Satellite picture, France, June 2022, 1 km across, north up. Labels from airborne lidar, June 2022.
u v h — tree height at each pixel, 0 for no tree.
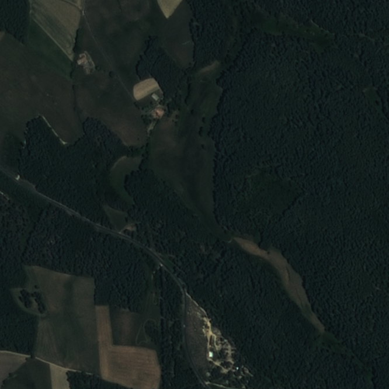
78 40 18
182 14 0
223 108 27
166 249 23
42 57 0
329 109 31
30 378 0
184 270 23
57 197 17
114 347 0
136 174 23
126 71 0
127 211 15
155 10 0
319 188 26
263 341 20
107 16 0
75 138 0
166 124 0
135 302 28
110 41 0
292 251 27
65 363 0
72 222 18
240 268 25
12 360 0
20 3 28
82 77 0
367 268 11
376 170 26
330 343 0
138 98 0
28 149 22
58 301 0
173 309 22
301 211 22
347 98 30
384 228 16
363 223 23
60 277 0
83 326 0
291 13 14
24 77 0
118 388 22
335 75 25
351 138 24
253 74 28
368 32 18
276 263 0
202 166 0
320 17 20
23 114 0
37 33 0
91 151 17
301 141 24
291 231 24
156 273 11
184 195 0
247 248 0
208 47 26
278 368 19
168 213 21
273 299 28
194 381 19
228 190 21
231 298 9
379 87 12
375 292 17
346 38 17
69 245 23
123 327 0
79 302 0
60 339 0
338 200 25
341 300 23
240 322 18
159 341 8
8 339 27
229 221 19
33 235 24
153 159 0
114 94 0
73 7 0
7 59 0
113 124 0
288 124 12
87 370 0
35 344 17
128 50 0
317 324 0
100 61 0
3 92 0
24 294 19
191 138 0
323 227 23
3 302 15
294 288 0
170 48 0
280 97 21
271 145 25
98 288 15
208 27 29
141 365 0
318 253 23
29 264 18
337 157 27
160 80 21
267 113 25
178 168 0
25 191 18
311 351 27
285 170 27
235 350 7
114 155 19
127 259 25
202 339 0
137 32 0
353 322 22
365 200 22
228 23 27
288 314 21
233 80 33
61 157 16
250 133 29
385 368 23
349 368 16
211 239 22
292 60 23
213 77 0
